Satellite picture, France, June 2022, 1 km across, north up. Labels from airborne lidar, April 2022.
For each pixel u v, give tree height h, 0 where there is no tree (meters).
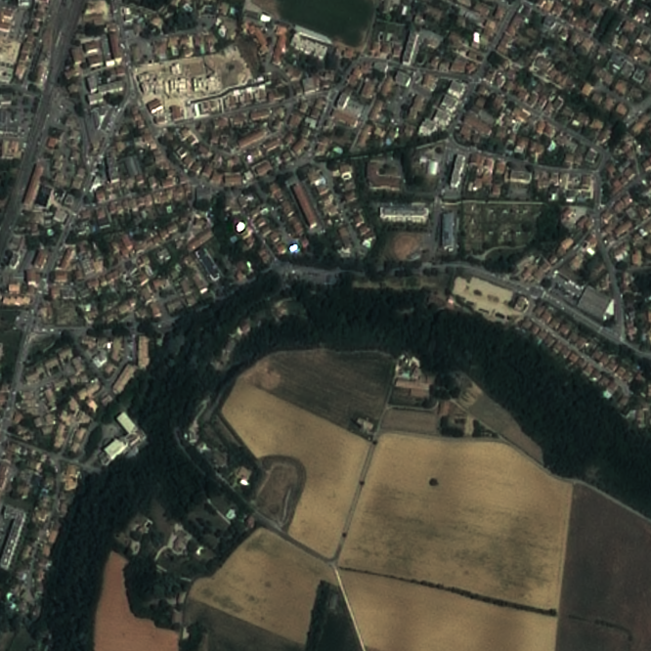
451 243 0
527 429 12
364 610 0
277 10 0
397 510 0
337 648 0
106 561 15
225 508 0
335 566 0
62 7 0
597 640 0
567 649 0
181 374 17
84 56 0
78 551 10
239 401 0
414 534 0
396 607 0
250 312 6
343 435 0
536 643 0
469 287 0
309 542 0
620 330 0
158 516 0
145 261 0
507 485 0
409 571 0
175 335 14
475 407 0
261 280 12
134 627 0
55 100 0
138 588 14
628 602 0
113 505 22
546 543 0
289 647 0
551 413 12
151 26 6
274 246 11
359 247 0
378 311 19
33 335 0
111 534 13
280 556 0
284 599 0
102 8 0
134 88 0
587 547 0
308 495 0
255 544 0
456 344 14
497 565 0
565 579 0
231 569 0
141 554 7
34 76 10
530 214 0
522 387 13
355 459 0
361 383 0
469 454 0
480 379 9
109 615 0
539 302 9
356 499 0
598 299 0
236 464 6
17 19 0
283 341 11
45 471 6
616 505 0
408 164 12
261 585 0
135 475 12
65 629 16
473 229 0
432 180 0
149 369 7
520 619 0
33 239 9
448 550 0
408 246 0
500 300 0
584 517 0
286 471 0
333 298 18
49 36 0
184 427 6
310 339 16
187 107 0
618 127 16
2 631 20
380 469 0
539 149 0
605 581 0
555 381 18
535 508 0
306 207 0
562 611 0
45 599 8
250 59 0
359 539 0
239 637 0
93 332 15
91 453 9
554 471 10
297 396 0
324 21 0
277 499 0
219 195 12
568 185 0
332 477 0
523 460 0
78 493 14
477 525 0
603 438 6
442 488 0
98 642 0
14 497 15
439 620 0
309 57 11
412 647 0
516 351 18
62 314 0
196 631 13
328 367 0
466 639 0
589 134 7
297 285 15
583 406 17
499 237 0
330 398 0
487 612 0
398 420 0
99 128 0
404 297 17
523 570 0
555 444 8
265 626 0
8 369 10
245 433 0
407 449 0
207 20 0
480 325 16
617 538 0
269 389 0
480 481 0
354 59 6
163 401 10
